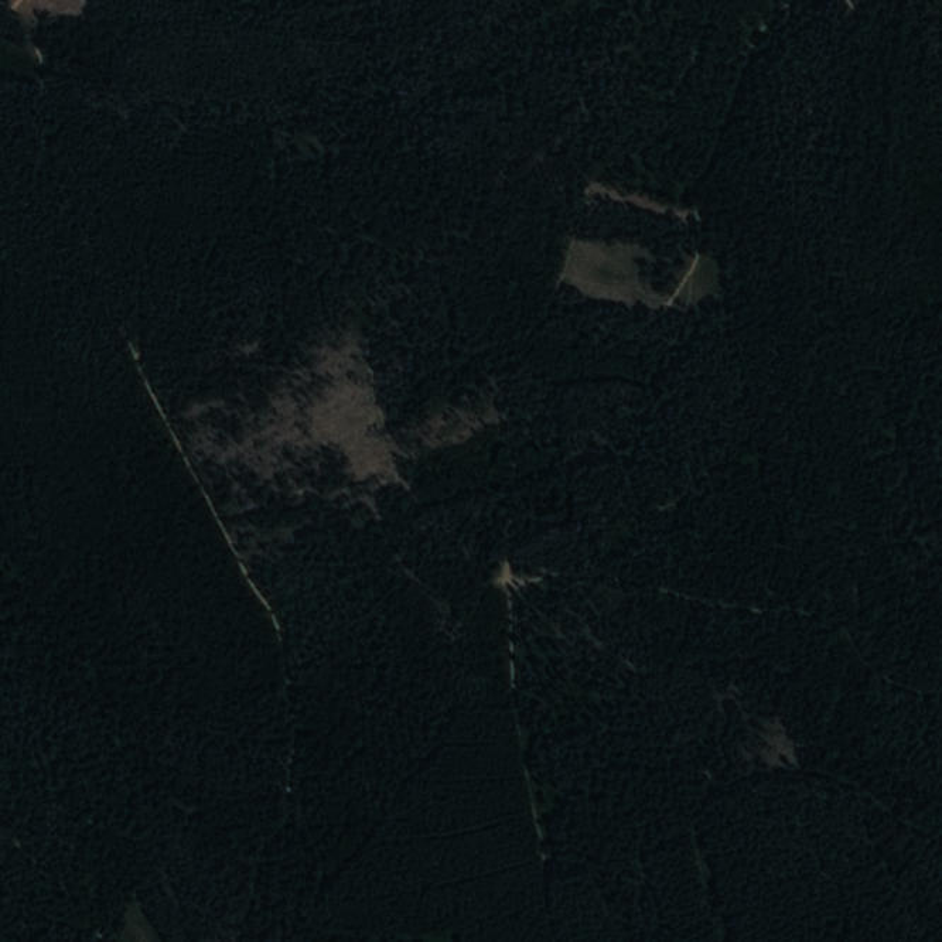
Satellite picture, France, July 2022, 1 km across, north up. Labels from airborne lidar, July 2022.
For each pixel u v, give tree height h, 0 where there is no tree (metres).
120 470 13
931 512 23
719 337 31
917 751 21
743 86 13
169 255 20
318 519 15
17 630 32
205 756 30
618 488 29
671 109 26
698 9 25
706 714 26
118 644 20
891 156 30
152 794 27
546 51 26
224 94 21
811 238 19
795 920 27
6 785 26
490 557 28
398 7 31
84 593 17
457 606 18
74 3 0
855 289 14
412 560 18
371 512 14
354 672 16
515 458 27
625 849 26
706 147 25
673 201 38
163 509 18
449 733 26
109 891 19
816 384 22
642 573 20
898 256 23
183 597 17
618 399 29
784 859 20
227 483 17
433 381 27
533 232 17
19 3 0
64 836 28
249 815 26
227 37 25
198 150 14
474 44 27
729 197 21
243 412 14
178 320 18
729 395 28
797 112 22
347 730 27
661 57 18
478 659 13
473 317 22
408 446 22
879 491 21
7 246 17
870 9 20
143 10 20
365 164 25
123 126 24
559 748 25
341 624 12
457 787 24
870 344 29
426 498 9
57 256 17
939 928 24
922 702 15
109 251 17
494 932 21
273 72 24
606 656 6
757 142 23
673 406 19
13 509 18
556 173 14
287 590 11
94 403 17
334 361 0
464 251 20
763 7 25
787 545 21
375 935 16
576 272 0
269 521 13
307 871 15
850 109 19
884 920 25
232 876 29
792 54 22
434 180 21
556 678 29
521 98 18
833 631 25
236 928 20
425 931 23
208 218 17
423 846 25
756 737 22
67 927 23
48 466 18
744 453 10
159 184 17
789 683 22
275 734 29
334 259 14
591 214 26
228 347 20
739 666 23
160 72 23
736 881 29
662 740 20
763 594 20
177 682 17
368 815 18
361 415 0
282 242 18
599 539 29
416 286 24
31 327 15
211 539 18
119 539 19
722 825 26
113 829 24
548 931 21
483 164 18
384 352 20
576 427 33
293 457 17
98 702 19
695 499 13
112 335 22
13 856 18
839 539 17
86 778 25
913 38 26
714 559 16
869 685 25
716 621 27
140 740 23
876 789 23
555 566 29
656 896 26
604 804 26
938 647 25
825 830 26
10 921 17
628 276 0
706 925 33
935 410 19
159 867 28
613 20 31
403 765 19
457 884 22
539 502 16
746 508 12
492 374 15
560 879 44
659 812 23
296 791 13
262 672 17
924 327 20
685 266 17
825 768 16
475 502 23
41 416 15
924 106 21
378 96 9
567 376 15
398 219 19
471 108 26
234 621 17
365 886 20
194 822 29
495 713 22
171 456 10
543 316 20
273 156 6
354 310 10
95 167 19
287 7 25
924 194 20
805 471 25
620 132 27
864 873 27
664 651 21
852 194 23
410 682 19
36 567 22
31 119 27
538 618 30
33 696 19
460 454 7
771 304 21
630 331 27
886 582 24
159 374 15
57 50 16
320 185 18
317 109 24
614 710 25
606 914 36
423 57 26
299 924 14
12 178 20
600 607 24
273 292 25
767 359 21
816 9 27
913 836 27
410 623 19
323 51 26
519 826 21
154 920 30
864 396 28
